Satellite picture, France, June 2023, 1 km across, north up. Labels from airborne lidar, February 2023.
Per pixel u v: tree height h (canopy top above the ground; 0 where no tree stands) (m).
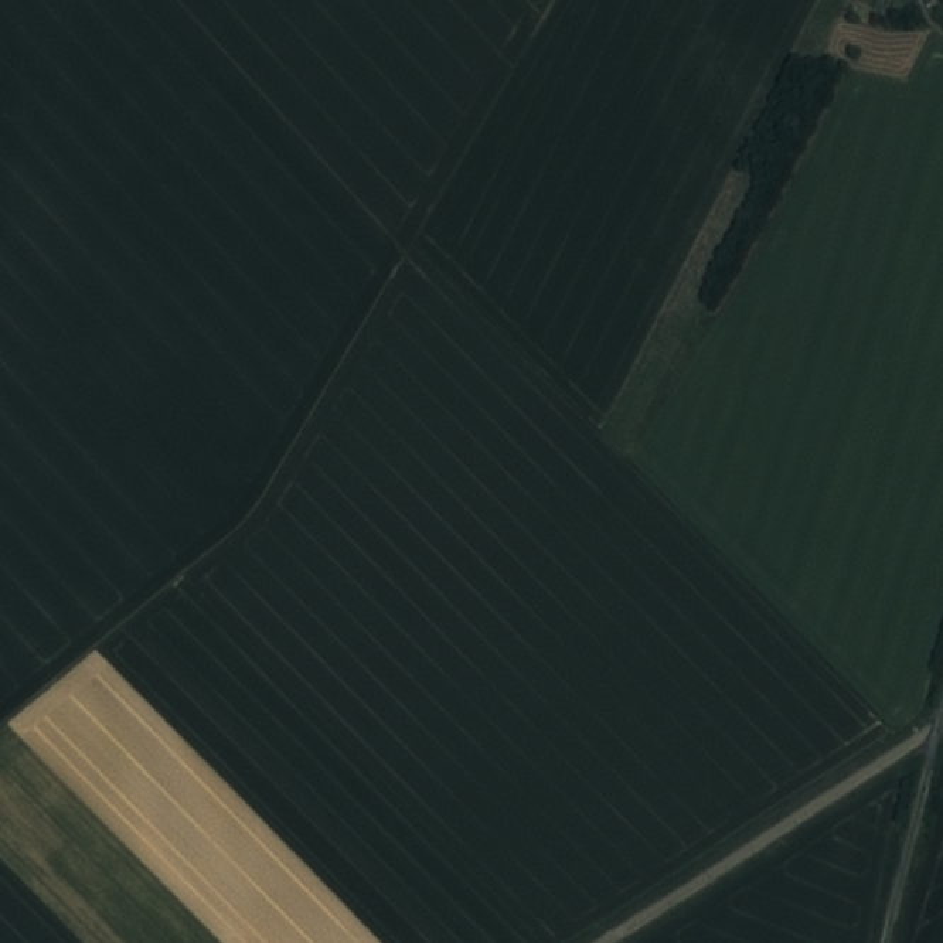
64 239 0
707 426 0
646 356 0
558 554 0
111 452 0
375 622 0
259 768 0
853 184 0
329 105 0
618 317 0
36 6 0
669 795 0
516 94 0
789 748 0
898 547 0
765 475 0
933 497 0
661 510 0
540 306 0
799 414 0
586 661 0
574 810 0
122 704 0
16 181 0
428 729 0
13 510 0
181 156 0
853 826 0
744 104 0
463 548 0
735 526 0
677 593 0
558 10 0
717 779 0
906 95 0
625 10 0
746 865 0
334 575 0
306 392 0
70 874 0
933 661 11
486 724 0
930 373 0
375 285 0
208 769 0
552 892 0
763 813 0
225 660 0
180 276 0
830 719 0
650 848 0
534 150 0
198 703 0
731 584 0
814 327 0
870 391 0
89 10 0
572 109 0
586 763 0
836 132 0
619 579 0
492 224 0
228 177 0
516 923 0
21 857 0
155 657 0
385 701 0
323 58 0
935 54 0
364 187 0
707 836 0
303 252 0
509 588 0
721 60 0
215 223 0
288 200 0
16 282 0
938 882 0
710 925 0
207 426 0
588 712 0
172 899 0
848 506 0
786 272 0
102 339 0
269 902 0
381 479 0
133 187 0
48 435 0
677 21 0
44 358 0
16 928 0
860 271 0
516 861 0
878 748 0
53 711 0
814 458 0
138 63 0
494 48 0
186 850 0
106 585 0
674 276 0
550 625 0
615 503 0
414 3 0
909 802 6
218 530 0
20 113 0
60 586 0
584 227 0
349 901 0
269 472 0
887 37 0
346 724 0
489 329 0
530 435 0
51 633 0
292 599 0
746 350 0
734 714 0
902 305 0
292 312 0
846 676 0
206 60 0
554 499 0
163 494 0
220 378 0
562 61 0
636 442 0
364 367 0
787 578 0
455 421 0
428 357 0
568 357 0
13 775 0
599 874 0
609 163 0
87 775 0
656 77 0
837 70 9
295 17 0
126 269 0
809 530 0
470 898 0
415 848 0
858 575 0
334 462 0
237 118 0
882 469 0
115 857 0
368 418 0
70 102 0
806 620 0
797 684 0
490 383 0
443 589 0
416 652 0
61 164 0
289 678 0
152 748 0
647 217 0
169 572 0
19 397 0
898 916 0
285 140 0
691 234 0
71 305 0
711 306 12
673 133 0
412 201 0
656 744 0
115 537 0
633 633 0
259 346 0
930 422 0
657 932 0
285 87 0
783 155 17
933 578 0
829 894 0
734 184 0
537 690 0
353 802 0
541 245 0
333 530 0
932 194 0
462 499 0
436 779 0
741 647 0
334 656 0
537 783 0
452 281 0
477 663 0
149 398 0
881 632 0
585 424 0
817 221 0
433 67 0
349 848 0
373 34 0
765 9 0
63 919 0
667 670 0
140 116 0
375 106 0
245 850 0
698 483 0
